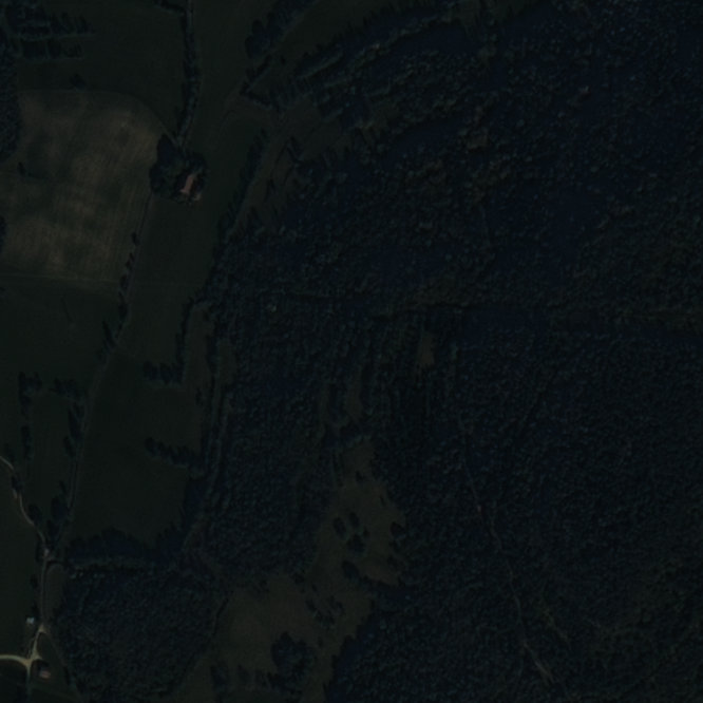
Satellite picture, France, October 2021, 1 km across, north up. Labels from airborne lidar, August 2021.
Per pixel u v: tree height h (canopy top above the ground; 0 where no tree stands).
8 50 19
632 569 22
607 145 19
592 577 22
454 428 9
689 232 20
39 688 0
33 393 11
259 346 10
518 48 19
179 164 24
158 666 12
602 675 22
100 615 6
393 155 0
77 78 0
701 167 21
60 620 7
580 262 20
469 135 28
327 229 20
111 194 0
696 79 27
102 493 0
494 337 22
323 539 0
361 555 17
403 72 20
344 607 0
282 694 17
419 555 16
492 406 15
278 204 0
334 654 0
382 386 15
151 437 0
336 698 13
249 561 10
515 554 24
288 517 18
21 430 0
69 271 0
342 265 18
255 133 0
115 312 0
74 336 0
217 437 11
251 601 0
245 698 0
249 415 18
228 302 12
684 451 21
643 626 7
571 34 19
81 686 8
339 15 0
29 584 0
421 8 0
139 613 10
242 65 0
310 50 0
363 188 29
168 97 0
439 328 12
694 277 16
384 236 9
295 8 18
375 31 0
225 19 0
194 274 0
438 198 20
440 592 6
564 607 21
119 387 0
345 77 14
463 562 14
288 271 15
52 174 0
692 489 24
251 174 14
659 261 19
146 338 0
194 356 0
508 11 0
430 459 23
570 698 11
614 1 24
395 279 14
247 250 6
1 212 0
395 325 14
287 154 0
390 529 0
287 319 18
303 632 0
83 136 0
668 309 10
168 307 0
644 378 26
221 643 0
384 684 18
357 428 0
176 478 0
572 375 8
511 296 17
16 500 0
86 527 0
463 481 21
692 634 10
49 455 0
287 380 13
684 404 21
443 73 17
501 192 27
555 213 16
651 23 23
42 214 0
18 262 0
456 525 17
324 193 11
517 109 26
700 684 24
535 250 22
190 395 0
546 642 23
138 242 10
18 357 0
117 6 0
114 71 0
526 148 29
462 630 7
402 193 17
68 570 10
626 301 25
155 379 19
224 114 0
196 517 17
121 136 0
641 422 25
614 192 23
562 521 23
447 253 21
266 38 18
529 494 8
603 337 23
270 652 0
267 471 9
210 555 12
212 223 0
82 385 0
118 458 0
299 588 16
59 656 0
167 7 6
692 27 21
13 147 13
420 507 22
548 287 12
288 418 15
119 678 13
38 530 16
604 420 29
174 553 17
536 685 14
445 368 16
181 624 10
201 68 17
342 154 0
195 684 0
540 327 10
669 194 13
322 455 10
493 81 0
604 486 27
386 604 25
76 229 0
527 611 26
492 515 19
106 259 0
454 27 0
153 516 0
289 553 10
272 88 0
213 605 11
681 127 32
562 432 20
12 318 0
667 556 17
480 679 6
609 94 9
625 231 8
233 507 9
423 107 15
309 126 0
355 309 10
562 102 16
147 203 0
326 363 14
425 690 7
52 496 0
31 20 19
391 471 13
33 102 0
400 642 13
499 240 20
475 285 27
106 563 16
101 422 0
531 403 24
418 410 11
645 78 34
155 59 0
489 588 25
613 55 28
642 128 16
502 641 10
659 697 12
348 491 0
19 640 0
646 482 16
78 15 0
